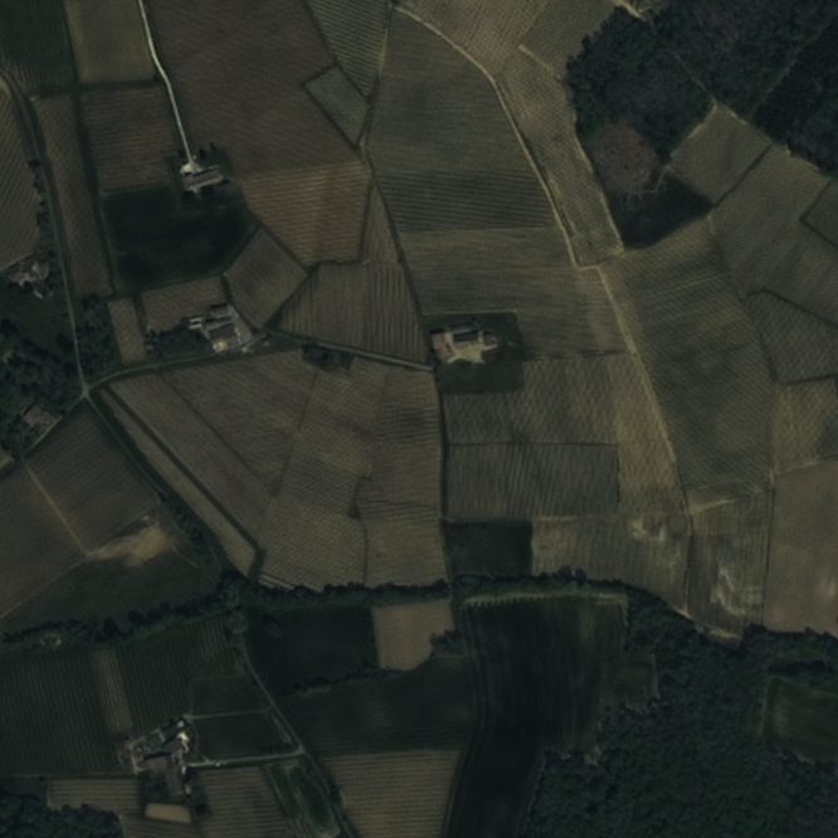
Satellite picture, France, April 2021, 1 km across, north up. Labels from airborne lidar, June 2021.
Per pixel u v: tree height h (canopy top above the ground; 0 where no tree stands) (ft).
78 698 0
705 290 0
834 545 0
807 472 0
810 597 0
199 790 59
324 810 0
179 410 0
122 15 0
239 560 0
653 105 62
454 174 0
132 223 0
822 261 0
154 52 0
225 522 0
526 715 0
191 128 0
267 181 0
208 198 59
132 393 0
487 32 0
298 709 0
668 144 57
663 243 0
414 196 0
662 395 0
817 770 28
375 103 0
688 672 68
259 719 0
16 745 0
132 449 0
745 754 75
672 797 69
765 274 0
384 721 0
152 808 0
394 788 0
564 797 69
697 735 66
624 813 77
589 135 79
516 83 0
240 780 0
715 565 0
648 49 68
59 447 0
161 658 0
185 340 59
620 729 40
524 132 0
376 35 0
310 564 0
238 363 0
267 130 0
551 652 0
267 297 0
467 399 0
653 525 0
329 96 0
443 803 0
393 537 0
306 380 0
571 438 0
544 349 0
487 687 0
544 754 0
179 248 0
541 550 0
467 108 0
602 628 0
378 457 0
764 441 0
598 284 0
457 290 0
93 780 0
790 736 0
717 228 0
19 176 0
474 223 0
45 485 0
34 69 0
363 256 0
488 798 0
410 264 0
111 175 0
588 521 0
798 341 0
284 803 0
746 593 0
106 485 0
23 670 0
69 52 0
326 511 0
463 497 0
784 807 60
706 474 0
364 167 0
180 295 0
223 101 0
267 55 0
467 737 0
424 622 0
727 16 43
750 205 0
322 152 0
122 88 0
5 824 51
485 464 0
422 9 0
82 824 63
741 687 69
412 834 0
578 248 0
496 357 0
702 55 58
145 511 0
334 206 0
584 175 0
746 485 0
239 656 48
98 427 0
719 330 0
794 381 0
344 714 0
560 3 0
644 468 0
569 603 0
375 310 0
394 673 34
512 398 0
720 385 0
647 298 0
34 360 64
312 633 0
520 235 0
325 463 0
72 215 0
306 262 0
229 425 0
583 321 0
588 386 0
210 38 0
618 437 0
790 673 21
